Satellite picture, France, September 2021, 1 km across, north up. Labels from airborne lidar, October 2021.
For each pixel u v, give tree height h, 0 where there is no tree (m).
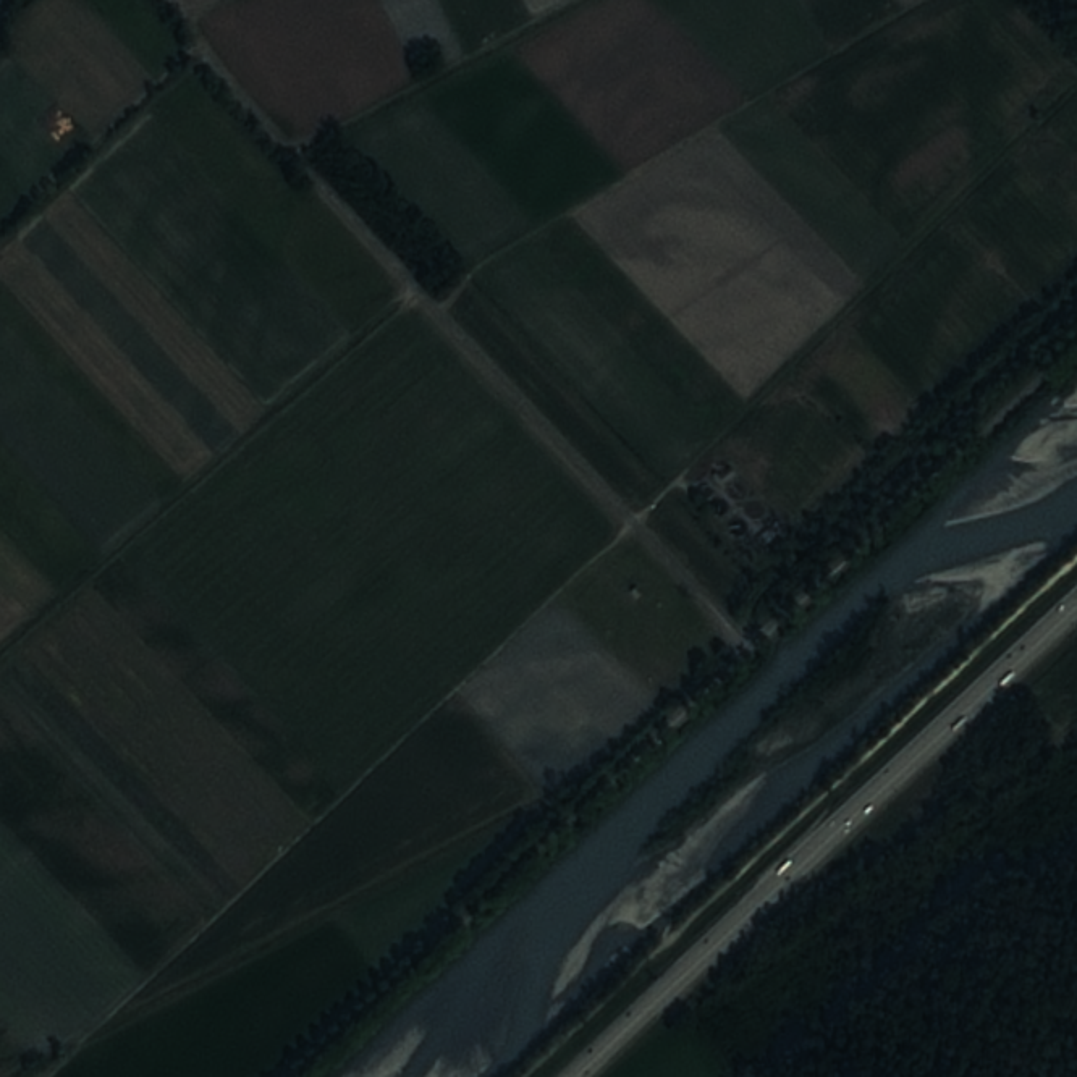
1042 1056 25
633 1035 0
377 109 0
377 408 0
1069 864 15
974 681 0
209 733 0
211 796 0
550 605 0
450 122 0
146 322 0
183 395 0
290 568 0
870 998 24
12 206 0
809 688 8
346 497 0
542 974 0
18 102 0
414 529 0
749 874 0
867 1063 19
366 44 0
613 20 0
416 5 0
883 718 7
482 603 0
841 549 17
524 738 0
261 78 0
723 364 0
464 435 0
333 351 0
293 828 0
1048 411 0
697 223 0
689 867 0
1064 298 14
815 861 0
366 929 0
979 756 18
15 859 0
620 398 0
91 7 0
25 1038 0
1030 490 0
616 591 0
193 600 0
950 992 33
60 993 0
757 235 0
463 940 24
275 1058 0
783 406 0
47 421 0
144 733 0
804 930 18
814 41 0
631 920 0
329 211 0
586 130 0
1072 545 11
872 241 0
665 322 0
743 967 18
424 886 0
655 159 0
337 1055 21
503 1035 0
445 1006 0
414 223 23
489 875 20
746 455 0
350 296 0
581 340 0
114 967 0
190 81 0
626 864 0
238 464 0
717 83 0
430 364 0
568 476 0
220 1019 0
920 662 0
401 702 0
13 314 0
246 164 0
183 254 0
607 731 0
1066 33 27
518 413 0
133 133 0
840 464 0
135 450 0
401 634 0
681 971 0
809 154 0
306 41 0
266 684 0
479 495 0
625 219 0
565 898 0
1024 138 0
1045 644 0
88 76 0
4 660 0
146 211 0
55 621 0
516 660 0
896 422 0
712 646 0
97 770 0
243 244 0
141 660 0
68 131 0
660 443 0
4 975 0
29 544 0
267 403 0
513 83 0
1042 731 19
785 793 0
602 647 0
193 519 0
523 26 0
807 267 0
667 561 0
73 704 0
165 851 0
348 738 0
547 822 13
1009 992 29
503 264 0
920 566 0
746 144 0
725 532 0
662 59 0
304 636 0
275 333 0
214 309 0
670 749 20
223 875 0
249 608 0
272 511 0
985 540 0
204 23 0
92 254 0
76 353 0
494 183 0
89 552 0
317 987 0
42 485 0
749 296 0
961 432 21
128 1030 0
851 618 0
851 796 0
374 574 0
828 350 0
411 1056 0
